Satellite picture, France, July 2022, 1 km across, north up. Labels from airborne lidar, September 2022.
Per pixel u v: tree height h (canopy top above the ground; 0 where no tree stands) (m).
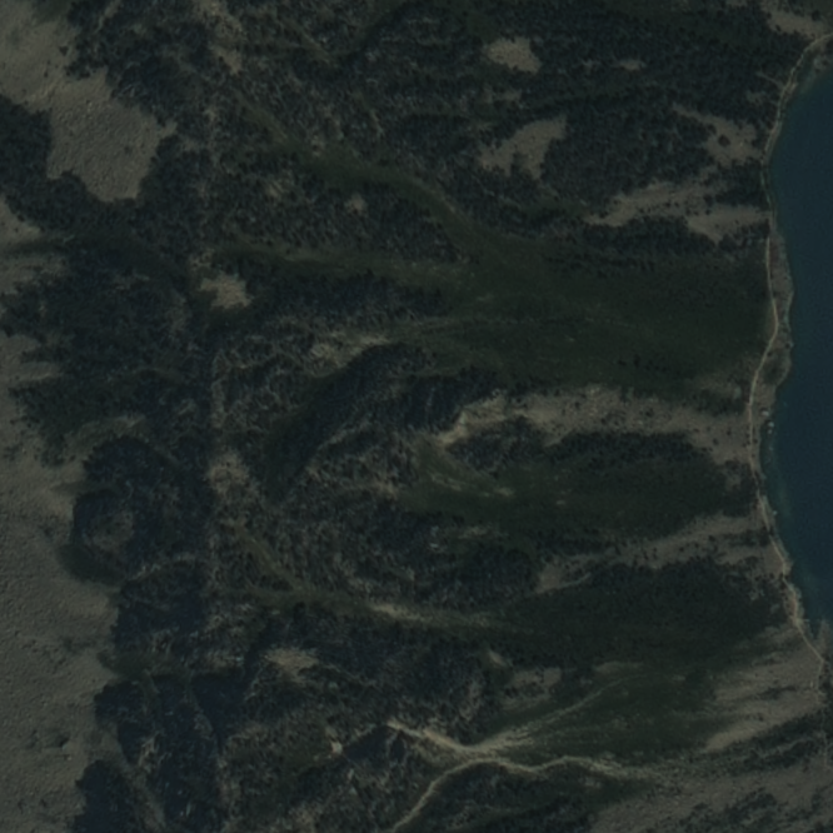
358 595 12
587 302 0
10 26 0
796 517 0
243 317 0
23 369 0
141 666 0
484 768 6
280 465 0
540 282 0
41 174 9
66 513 0
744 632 0
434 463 0
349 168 0
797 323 0
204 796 0
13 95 0
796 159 0
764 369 0
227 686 6
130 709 7
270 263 0
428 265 0
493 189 9
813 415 0
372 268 0
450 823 9
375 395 11
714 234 0
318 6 11
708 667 0
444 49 8
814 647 0
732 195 10
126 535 0
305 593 0
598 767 0
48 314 0
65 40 0
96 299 10
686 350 0
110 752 0
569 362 0
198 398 10
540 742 0
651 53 14
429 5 11
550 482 0
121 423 0
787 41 8
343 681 10
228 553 12
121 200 0
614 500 0
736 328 0
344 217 8
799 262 0
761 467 0
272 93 10
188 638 9
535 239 7
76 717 0
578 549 7
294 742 8
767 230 8
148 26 0
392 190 10
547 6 10
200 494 9
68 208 6
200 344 10
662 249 9
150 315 12
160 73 8
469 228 0
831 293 0
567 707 0
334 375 0
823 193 0
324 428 8
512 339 0
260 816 0
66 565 0
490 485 0
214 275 0
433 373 0
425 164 10
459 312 0
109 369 8
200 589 9
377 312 9
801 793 0
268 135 15
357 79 15
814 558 0
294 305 9
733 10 10
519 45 0
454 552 0
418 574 10
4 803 0
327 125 11
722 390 0
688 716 0
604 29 10
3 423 0
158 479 8
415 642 14
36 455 0
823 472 0
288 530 11
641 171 6
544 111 12
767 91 10
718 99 12
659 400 0
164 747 9
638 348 0
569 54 17
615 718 0
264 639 10
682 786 0
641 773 0
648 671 0
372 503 20
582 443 12
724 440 0
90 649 0
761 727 0
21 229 0
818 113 0
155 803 0
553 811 11
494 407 0
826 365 0
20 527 0
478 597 14
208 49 9
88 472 13
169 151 6
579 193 9
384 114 12
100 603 0
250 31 11
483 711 10
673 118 8
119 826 12
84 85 0
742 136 0
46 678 0
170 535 0
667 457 6
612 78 16
